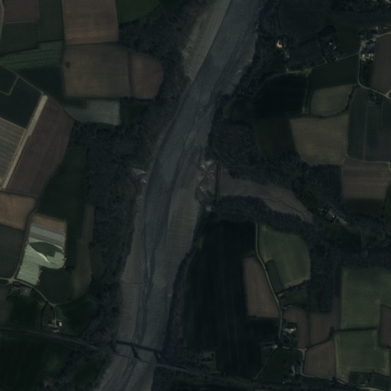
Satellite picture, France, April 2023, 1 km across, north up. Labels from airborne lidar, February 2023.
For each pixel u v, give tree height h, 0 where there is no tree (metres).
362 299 0
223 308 0
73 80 0
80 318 0
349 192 0
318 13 14
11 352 0
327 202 20
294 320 0
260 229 0
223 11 0
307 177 21
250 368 0
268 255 0
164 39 22
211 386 0
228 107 0
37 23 0
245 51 0
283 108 0
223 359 0
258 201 14
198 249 0
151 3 0
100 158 19
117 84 0
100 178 16
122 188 17
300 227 21
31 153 0
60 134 0
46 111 0
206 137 0
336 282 0
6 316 0
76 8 0
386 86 0
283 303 0
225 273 0
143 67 0
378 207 0
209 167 0
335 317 0
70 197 0
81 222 0
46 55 0
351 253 31
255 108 0
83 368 0
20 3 0
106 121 0
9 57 0
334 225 0
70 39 0
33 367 0
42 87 0
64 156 0
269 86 0
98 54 0
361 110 0
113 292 19
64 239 0
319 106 0
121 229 13
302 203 9
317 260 23
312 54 16
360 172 0
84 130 12
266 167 14
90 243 10
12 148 0
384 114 0
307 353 0
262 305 0
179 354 11
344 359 0
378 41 0
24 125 0
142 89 0
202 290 0
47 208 0
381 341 0
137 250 0
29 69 0
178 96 22
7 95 0
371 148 0
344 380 0
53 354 0
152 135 17
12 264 0
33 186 0
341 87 0
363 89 0
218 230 0
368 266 20
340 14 15
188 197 0
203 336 0
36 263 0
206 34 0
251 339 0
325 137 0
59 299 0
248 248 0
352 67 0
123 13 0
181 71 22
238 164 20
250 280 0
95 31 0
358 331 0
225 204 16
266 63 11
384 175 0
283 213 0
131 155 15
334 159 0
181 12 19
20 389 0
